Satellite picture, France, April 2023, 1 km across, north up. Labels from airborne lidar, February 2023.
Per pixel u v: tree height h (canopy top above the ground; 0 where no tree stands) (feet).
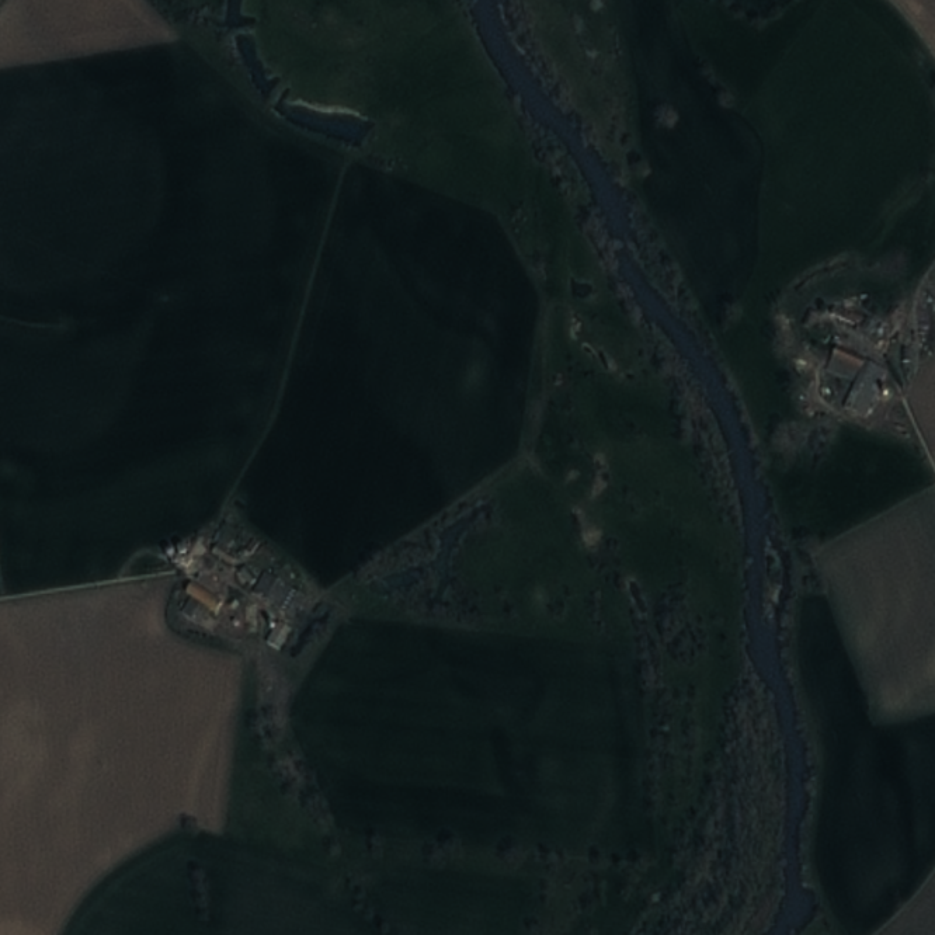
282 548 0
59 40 0
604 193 0
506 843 0
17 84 0
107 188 0
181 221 0
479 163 0
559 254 0
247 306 0
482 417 0
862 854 0
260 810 0
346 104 0
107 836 0
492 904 0
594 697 0
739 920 84
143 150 0
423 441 0
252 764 0
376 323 0
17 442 0
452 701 0
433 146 0
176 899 0
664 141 0
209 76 0
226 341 0
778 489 0
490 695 0
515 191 0
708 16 0
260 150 0
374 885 0
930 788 0
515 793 0
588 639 0
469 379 0
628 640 0
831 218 0
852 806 0
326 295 0
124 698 0
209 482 0
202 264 0
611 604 0
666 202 0
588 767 0
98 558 0
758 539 0
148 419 0
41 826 0
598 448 0
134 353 0
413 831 0
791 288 0
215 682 0
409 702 0
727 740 49
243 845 0
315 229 0
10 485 0
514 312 0
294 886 0
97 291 0
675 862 58
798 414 0
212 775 0
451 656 0
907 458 0
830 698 0
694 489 0
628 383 0
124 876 0
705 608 0
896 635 0
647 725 0
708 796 44
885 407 0
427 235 0
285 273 0
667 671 0
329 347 0
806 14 0
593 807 0
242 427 0
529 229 0
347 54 0
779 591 0
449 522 30
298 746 0
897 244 0
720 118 0
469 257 0
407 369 0
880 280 0
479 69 0
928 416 0
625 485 0
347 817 0
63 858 0
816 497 0
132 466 0
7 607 0
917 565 0
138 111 0
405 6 0
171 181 0
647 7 0
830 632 0
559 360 0
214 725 0
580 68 0
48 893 0
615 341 0
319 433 0
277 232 0
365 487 0
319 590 0
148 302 0
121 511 0
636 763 0
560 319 0
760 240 0
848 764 0
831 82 0
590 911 57
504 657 0
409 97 0
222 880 0
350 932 0
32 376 0
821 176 0
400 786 0
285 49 0
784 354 86
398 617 0
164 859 0
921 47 0
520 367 0
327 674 0
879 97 0
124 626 0
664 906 22
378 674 0
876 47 0
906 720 0
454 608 35
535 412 0
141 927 0
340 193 0
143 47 0
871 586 0
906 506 0
